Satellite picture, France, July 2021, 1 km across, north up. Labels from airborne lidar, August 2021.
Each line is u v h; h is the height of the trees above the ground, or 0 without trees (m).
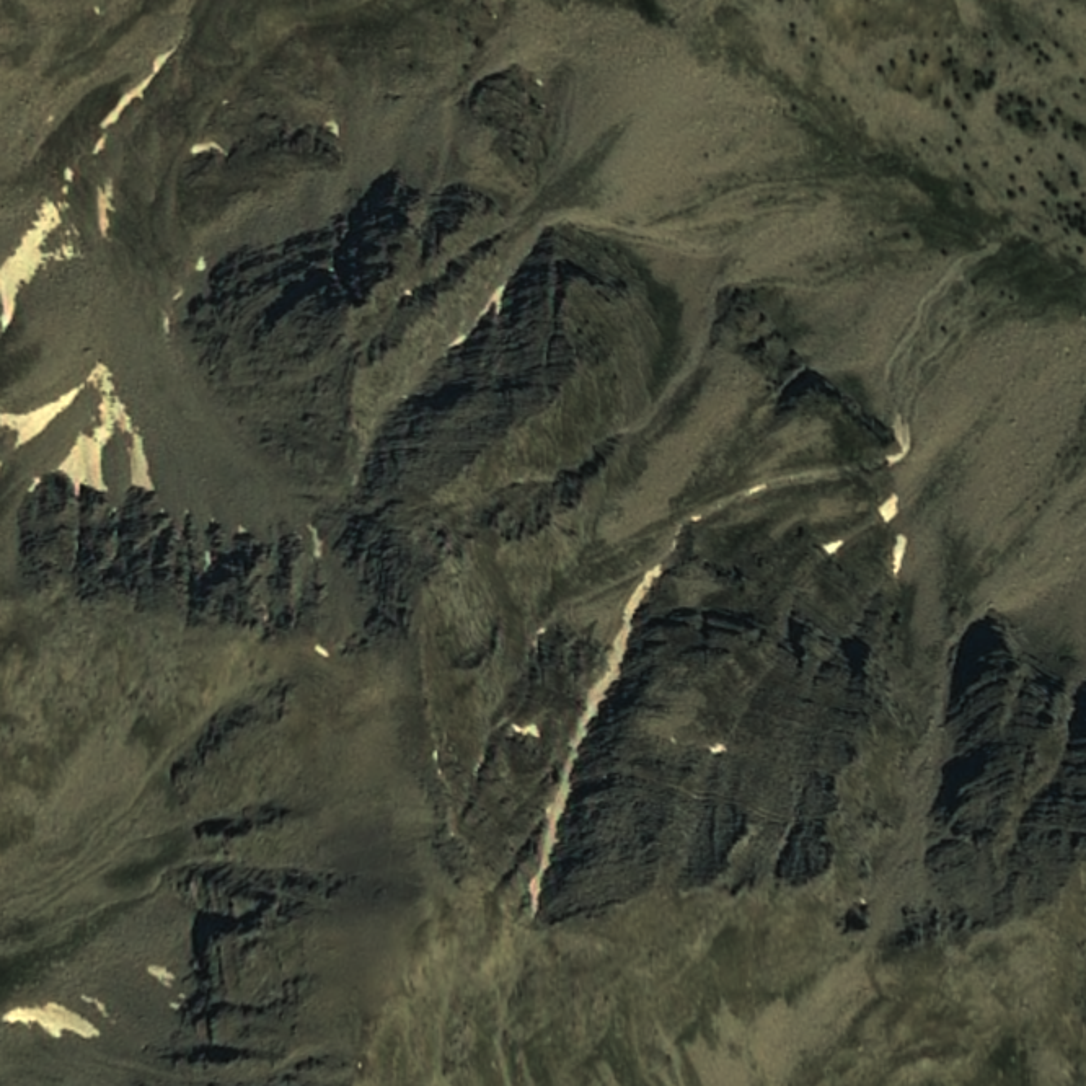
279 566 0
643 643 0
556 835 0
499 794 0
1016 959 0
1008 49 0
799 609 0
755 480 0
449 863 0
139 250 0
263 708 0
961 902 0
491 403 0
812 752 0
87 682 0
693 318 0
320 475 0
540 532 0
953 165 0
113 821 0
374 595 0
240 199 0
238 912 0
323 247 0
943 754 0
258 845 0
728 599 0
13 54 0
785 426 0
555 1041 0
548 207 0
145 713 0
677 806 0
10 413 0
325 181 0
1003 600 0
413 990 0
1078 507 0
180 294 0
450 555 0
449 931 0
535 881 0
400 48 0
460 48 0
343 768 0
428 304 0
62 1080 0
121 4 0
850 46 0
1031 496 0
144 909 0
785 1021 0
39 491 0
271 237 0
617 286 0
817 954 0
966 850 0
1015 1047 0
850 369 0
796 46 0
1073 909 0
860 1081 0
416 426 0
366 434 0
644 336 0
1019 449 0
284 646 0
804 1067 0
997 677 0
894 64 6
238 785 0
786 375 0
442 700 0
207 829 0
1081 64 0
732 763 0
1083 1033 0
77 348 0
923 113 0
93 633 0
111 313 0
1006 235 0
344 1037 0
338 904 0
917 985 0
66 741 0
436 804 0
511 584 0
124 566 0
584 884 0
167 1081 0
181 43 0
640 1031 0
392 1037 0
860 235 0
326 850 0
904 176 0
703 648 0
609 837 0
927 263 0
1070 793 0
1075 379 0
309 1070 0
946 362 0
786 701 0
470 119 0
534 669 0
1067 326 0
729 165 0
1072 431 0
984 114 0
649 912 0
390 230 0
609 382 0
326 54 0
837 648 0
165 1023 0
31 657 0
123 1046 0
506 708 0
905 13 0
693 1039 0
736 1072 0
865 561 0
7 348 0
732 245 0
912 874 0
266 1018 0
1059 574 0
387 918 0
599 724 0
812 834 0
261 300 0
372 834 0
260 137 0
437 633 0
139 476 0
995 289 0
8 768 0
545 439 0
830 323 0
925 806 0
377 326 0
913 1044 0
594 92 0
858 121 0
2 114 0
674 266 0
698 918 0
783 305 0
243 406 0
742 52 0
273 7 0
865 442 0
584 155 0
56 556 0
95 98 0
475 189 0
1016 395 0
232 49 0
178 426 0
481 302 0
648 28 0
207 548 0
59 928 0
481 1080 0
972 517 0
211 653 0
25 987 0
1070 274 0
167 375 0
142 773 0
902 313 0
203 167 0
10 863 0
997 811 0
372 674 0
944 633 0
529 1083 0
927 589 0
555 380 0
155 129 0
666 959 0
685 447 0
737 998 0
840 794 0
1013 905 0
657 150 0
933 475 0
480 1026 0
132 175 0
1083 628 0
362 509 0
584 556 0
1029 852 0
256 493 0
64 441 0
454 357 0
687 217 0
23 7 0
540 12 0
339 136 0
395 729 0
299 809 0
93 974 0
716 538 0
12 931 0
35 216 0
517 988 0
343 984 0
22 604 0
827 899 0
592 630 0
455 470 0
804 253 0
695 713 0
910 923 0
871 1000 0
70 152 0
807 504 0
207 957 0
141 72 0
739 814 0
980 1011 0
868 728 0
